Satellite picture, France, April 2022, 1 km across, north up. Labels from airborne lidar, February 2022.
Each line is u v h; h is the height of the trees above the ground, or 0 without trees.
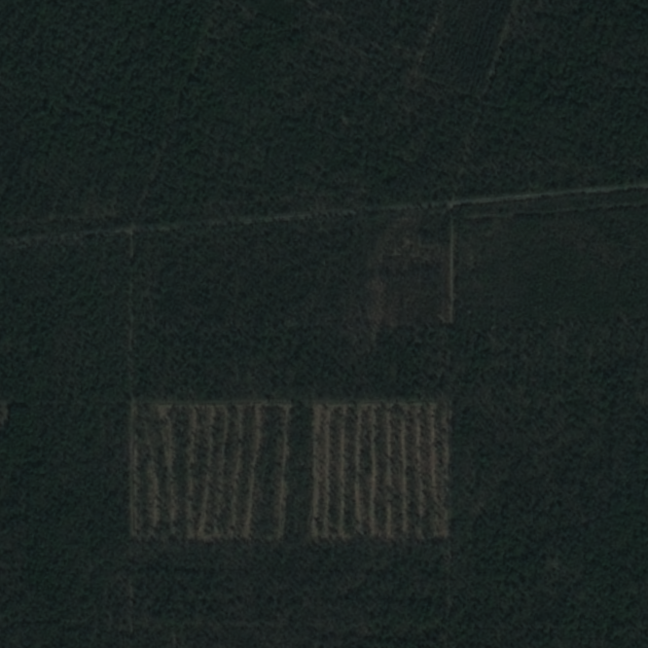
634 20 13
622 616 15
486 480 17
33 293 18
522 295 11
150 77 13
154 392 17
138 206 13
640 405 16
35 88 19
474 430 17
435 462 0
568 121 18
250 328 15
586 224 10
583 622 15
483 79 10
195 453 9
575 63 12
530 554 17
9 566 12
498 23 8
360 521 0
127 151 17
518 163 16
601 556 20
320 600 17
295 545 16
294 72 11
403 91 14
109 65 17
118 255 14
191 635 9
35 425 14
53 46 17
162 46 17
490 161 17
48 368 12
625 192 8
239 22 15
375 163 11
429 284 17
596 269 10
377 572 17
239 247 8
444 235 7
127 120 16
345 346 15
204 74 15
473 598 14
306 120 14
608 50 16
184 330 16
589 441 18
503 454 15
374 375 15
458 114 21
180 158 14
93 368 11
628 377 16
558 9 18
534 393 15
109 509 16
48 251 10
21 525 18
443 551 18
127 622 15
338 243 12
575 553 19
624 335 18
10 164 11
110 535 14
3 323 16
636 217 9
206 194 15
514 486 10
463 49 10
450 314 15
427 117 20
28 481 15
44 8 18
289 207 12
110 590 17
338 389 14
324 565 16
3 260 11
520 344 16
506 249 9
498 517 16
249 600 14
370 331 20
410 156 16
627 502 25
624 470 18
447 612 13
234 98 18
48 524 12
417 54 18
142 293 17
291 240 11
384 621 17
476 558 19
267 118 15
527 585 19
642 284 10
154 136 14
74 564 13
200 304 9
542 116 19
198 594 17
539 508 12
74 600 14
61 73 16
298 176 15
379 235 14
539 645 14
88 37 11
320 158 16
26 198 15
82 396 12
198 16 15
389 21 13
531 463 16
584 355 19
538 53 16
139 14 16
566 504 18
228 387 18
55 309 16
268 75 16
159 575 19
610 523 22
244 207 15
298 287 11
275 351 19
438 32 8
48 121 18
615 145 19
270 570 10
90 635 18
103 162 19
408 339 15
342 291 8
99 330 16
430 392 16
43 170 16
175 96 13
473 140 15
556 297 10
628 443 19
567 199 9
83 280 19
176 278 8
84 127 20
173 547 18
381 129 16
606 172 17
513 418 18
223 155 11
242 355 23
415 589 20
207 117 14
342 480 0
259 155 20
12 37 17
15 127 14
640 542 21
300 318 12
